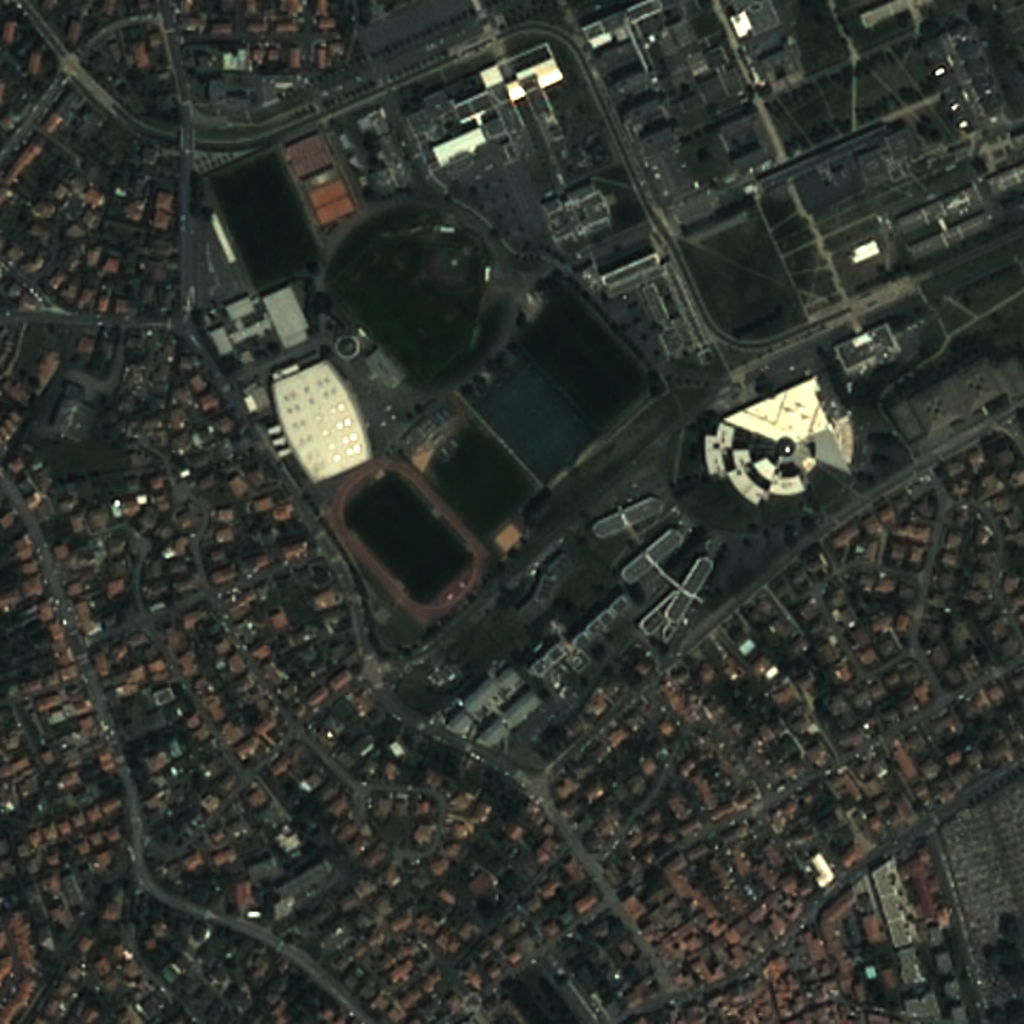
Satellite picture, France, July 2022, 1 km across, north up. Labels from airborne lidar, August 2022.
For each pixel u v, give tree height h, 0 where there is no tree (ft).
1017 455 21
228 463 21
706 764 18
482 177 0
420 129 0
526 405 0
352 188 0
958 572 21
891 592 18
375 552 0
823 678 22
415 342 0
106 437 25
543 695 32
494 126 0
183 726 31
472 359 0
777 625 0
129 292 33
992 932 0
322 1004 31
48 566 0
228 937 35
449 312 0
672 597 0
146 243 18
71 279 22
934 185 0
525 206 0
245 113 0
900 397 28
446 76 0
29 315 0
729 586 0
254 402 0
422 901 22
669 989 0
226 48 22
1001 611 0
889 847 0
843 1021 0
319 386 0
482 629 0
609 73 0
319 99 0
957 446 0
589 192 0
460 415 0
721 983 0
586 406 0
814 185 0
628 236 0
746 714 23
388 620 0
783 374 0
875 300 0
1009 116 0
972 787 0
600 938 43
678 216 0
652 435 0
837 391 31
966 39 0
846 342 0
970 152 0
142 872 0
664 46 0
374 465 0
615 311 0
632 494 0
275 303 0
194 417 0
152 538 31
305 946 0
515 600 19
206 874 28
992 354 21
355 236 0
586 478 0
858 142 0
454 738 0
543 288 58
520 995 22
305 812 44
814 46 0
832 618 0
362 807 0
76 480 36
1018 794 0
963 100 0
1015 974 57
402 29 0
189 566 24
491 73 0
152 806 0
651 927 0
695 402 0
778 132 0
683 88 31
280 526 22
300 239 0
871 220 0
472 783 0
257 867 0
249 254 0
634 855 22
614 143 0
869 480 29
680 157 0
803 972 24
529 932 0
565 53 0
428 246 0
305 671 22
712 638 0
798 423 0
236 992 37
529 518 39
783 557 0
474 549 0
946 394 0
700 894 0
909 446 0
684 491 25
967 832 0
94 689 0
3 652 0
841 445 0
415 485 0
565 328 0
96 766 23
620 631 0
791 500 0
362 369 0
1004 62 0
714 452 0
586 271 0
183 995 22
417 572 0
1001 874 0
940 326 0
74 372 0
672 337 0
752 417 0
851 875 0
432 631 35
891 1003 21
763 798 0
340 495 0
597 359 0
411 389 0
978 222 0
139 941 18
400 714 0
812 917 0
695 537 45
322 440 0
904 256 0
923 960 18
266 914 48
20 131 0
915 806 24
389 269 0
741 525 0
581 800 22
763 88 29
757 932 0
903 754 0
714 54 0
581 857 0
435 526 0
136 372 0
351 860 0
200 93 0
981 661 29
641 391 0
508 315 0
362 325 0
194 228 0
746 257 0
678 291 0
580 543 31
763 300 0
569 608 31
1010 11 0
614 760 20
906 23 43
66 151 0
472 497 0
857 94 0
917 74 0
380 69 0
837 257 0
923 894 0
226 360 29
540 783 0
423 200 0
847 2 0
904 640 21
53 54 20
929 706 0
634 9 0
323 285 0
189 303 0
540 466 0
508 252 0
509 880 38
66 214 0
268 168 0
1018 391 0
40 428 0
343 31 21
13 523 19
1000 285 0
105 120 0
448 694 20
